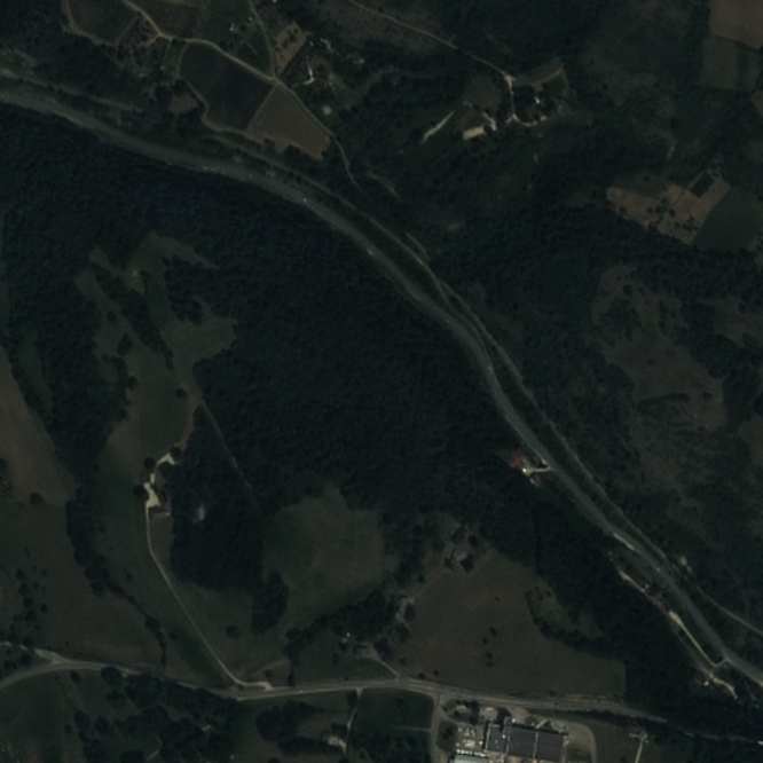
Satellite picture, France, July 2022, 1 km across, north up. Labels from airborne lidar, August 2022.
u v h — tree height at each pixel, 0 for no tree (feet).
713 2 0
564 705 0
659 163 22
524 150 23
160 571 0
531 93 44
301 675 0
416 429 59
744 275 73
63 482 0
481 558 0
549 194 32
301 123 0
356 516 0
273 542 0
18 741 0
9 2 57
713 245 0
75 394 27
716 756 58
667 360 0
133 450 0
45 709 0
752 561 18
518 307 43
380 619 45
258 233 58
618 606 72
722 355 28
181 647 0
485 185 22
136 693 68
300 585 0
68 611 0
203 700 88
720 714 58
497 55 20
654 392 0
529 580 0
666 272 44
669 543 27
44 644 0
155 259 0
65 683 0
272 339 19
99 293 0
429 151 0
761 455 0
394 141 0
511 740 0
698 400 0
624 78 0
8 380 0
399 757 25
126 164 31
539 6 36
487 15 55
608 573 58
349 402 35
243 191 37
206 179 27
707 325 45
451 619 0
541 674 0
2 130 68
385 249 20
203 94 0
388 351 54
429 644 0
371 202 48
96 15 0
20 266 25
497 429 82
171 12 0
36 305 21
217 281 23
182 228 87
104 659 0
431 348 87
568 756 0
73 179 62
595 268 42
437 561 0
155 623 45
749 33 0
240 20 0
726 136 29
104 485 0
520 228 56
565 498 23
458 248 23
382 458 60
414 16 0
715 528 34
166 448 0
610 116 30
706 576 55
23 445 0
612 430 40
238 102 0
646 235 40
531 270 20
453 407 39
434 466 71
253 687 0
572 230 53
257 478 28
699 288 45
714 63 0
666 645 65
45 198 23
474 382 33
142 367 0
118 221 53
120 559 0
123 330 0
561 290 38
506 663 0
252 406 43
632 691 48
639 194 0
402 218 31
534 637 0
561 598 49
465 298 63
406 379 91
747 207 0
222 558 65
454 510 39
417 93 36
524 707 0
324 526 0
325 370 38
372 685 0
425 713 0
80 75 27
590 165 81
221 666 0
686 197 0
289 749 56
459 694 0
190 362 0
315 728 0
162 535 0
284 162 36
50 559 0
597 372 35
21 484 0
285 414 46
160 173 29
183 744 74
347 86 22
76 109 26
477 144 24
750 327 0
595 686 0
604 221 28
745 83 0
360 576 0
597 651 39
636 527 41
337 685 0
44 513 0
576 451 25
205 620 0
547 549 84
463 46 24
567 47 44
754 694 31
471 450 84
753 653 34
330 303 58
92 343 20
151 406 0
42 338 24
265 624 49
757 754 45
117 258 41
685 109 19
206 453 30
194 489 63
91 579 42
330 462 62
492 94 0
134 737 61
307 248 78
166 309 0
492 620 0
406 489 25
